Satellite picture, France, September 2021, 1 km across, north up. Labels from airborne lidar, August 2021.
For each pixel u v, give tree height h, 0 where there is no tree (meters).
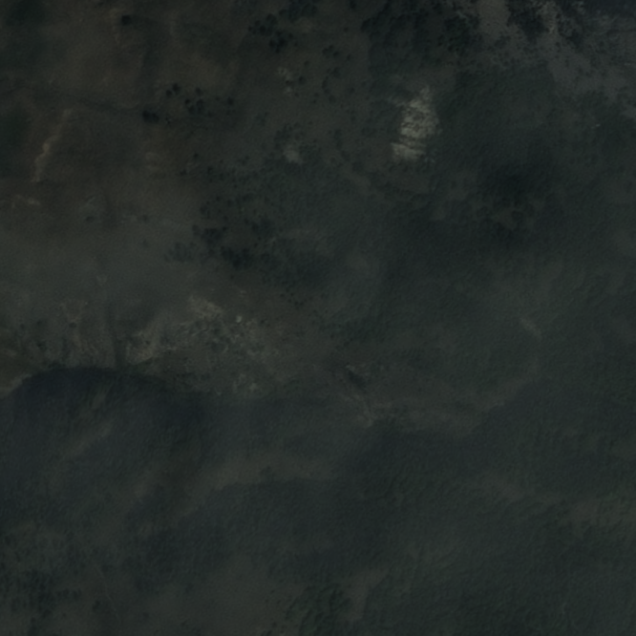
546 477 18
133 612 0
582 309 16
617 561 13
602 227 16
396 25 15
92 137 0
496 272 0
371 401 0
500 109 15
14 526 21
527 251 16
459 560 12
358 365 0
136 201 0
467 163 13
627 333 0
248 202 9
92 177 0
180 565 23
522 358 23
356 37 0
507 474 14
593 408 13
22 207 0
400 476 13
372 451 9
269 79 0
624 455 0
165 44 0
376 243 13
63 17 0
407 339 0
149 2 0
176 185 0
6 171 0
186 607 0
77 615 0
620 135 20
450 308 21
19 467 12
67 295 0
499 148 14
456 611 16
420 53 10
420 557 9
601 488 18
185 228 0
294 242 9
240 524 17
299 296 0
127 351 0
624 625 21
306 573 18
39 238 0
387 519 19
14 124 0
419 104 0
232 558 8
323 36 0
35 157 0
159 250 0
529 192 17
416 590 12
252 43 0
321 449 19
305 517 16
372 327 18
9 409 6
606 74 7
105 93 0
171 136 0
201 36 0
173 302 0
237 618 0
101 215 0
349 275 18
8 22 0
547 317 15
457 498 16
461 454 12
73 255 0
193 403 10
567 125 0
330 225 11
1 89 0
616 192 0
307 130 0
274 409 7
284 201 11
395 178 0
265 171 9
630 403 21
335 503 17
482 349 14
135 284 0
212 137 0
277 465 0
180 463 0
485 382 13
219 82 0
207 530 21
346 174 0
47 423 18
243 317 0
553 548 25
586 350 18
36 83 0
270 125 0
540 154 18
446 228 19
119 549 9
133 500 0
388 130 7
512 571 31
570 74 0
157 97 0
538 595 17
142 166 0
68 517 16
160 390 9
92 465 22
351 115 7
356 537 16
